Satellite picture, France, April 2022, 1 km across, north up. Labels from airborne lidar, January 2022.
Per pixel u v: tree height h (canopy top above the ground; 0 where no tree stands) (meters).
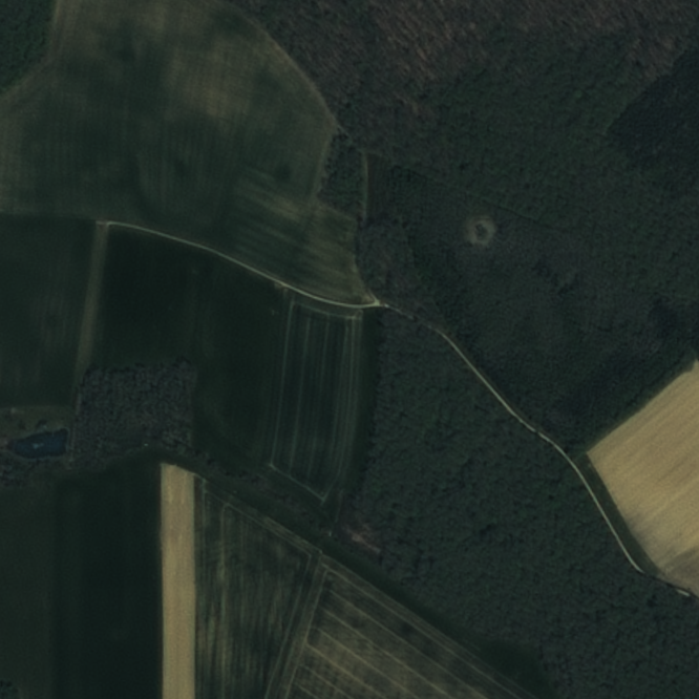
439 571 25
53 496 0
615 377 14
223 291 0
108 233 0
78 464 12
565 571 25
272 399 0
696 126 12
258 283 0
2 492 0
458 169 24
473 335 10
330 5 26
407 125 28
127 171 0
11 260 0
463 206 0
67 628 0
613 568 23
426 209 16
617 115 20
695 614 22
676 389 0
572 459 17
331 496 0
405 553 24
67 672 0
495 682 0
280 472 0
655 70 25
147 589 0
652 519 0
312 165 0
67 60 0
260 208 0
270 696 0
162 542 0
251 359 0
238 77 0
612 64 21
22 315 0
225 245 0
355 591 0
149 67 0
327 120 0
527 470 27
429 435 22
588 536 24
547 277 8
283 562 0
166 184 0
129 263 0
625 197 20
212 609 0
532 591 26
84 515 0
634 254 21
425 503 28
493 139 21
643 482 0
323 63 22
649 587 22
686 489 0
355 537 0
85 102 0
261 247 0
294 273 0
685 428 0
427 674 0
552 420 14
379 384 7
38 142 0
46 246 0
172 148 0
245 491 0
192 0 0
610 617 25
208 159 0
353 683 0
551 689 0
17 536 0
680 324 15
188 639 0
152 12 0
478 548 24
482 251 0
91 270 0
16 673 0
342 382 0
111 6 0
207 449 0
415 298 25
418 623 0
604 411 17
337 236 0
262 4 21
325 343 0
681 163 13
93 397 16
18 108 0
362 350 0
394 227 26
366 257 22
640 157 14
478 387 25
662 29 23
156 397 18
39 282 0
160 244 0
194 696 0
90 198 0
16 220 0
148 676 0
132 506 0
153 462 0
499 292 0
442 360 25
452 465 24
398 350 24
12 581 0
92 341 0
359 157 24
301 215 0
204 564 0
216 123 0
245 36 0
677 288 20
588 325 0
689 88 12
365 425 0
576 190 20
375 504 25
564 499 24
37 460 0
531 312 0
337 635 0
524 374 17
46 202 0
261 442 0
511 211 0
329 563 0
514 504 24
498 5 28
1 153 0
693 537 0
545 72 22
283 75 0
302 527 0
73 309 0
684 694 26
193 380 20
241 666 0
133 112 0
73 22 0
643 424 0
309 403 0
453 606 20
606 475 0
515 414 0
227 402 0
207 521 0
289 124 0
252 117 0
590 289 0
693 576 0
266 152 0
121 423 12
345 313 0
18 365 0
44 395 0
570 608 27
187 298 0
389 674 0
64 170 0
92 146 0
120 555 0
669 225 21
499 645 0
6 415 0
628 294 0
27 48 21
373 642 0
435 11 31
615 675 22
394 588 0
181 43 0
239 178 0
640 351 15
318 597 0
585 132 21
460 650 0
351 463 0
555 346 0
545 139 20
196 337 0
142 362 0
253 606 0
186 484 0
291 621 0
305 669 0
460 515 24
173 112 0
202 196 0
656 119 12
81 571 0
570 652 24
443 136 26
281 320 0
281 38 16
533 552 26
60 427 0
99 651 0
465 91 29
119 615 0
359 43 26
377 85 26
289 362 0
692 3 24
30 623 0
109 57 0
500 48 25
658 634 27
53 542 0
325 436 0
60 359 0
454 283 15
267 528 0
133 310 0
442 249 16
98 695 0
